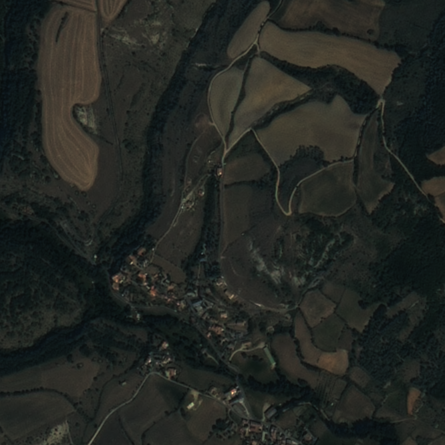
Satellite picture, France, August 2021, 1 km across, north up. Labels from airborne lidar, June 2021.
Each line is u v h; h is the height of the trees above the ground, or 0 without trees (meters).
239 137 0
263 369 0
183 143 0
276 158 0
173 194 0
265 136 0
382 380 14
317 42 0
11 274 11
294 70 9
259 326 10
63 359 0
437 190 0
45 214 13
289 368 0
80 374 0
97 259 6
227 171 0
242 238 0
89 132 0
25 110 8
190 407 0
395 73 11
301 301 0
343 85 7
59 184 0
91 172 0
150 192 6
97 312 6
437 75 12
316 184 0
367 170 0
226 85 0
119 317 15
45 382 0
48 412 0
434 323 8
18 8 12
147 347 8
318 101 0
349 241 6
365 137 0
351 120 0
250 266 0
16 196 8
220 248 0
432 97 9
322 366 0
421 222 11
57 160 0
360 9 0
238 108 0
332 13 0
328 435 0
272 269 0
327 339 0
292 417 0
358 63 0
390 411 0
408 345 9
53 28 0
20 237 6
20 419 0
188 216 0
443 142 11
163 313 0
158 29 0
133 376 0
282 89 0
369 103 8
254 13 0
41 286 8
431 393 12
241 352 0
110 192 0
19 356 9
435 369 14
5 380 0
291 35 0
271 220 0
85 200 0
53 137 0
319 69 7
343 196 0
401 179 9
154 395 0
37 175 9
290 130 0
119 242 8
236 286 0
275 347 0
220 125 0
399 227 9
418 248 9
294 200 0
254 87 0
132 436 0
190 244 0
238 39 0
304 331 0
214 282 7
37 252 8
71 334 11
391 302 12
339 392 0
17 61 7
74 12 0
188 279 6
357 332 9
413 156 7
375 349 13
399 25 0
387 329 14
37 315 9
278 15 0
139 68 0
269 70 0
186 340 14
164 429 0
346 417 0
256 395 0
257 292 0
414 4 0
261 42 0
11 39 11
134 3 0
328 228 8
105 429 0
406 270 14
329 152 0
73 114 6
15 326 9
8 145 5
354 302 0
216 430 11
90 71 0
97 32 0
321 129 0
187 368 0
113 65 0
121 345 10
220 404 0
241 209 0
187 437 0
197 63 0
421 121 11
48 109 0
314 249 6
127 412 0
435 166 9
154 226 0
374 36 0
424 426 0
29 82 9
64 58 0
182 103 0
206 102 0
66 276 8
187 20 0
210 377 0
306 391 16
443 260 9
